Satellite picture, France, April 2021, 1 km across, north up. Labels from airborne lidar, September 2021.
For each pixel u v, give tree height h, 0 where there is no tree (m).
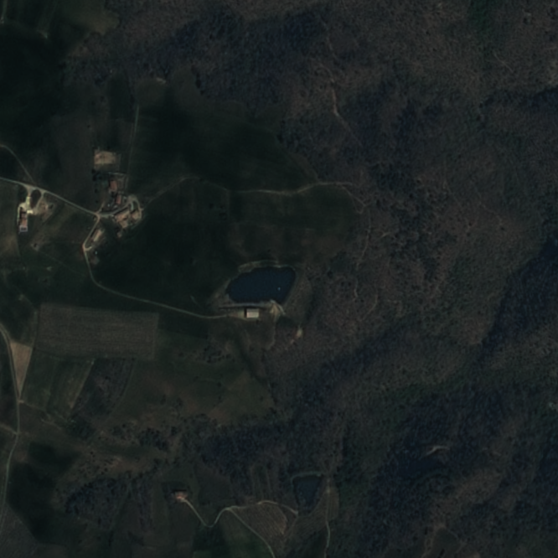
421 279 10
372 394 6
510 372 12
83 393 0
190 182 0
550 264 18
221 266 0
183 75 0
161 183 0
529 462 17
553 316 6
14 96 0
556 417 9
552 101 12
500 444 10
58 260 0
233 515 0
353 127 14
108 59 11
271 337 0
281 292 0
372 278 11
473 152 6
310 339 7
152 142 0
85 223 0
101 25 0
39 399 0
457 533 8
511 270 9
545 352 6
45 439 0
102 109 0
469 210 10
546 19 5
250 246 0
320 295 9
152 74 12
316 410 13
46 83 0
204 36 14
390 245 10
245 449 13
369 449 14
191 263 7
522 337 9
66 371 0
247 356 0
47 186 0
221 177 0
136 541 0
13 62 0
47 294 0
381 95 12
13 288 0
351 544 13
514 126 10
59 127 0
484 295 7
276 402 15
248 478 12
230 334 0
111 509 15
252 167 0
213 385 0
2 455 0
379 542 11
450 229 8
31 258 0
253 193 0
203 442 23
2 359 0
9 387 0
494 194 14
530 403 11
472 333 12
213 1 13
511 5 7
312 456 7
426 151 13
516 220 10
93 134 0
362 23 6
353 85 9
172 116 0
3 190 0
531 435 13
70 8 0
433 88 20
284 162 0
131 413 0
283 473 16
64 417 0
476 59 10
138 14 10
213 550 0
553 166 9
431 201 9
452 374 5
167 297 0
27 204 0
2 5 0
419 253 7
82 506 7
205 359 7
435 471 22
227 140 0
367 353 18
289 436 17
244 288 0
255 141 0
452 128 12
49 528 0
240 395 0
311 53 12
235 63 8
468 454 13
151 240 0
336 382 9
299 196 0
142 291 0
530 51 7
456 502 8
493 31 8
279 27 17
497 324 8
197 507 0
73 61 11
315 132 14
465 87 15
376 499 20
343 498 9
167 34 14
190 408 0
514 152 15
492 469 10
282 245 0
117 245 0
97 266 0
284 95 11
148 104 0
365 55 14
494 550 11
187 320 0
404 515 13
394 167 11
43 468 0
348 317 9
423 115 14
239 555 0
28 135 0
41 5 0
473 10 11
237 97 11
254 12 10
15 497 0
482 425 15
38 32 0
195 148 0
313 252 0
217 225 0
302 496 10
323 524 0
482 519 8
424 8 11
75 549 0
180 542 0
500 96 9
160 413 0
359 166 14
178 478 0
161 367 0
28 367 0
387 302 7
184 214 0
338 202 0
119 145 0
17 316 0
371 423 13
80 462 0
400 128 15
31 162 0
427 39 11
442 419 11
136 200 0
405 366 10
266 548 0
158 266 0
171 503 12
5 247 0
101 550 0
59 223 0
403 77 15
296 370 9
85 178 0
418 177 10
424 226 9
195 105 0
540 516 10
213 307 0
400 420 8
